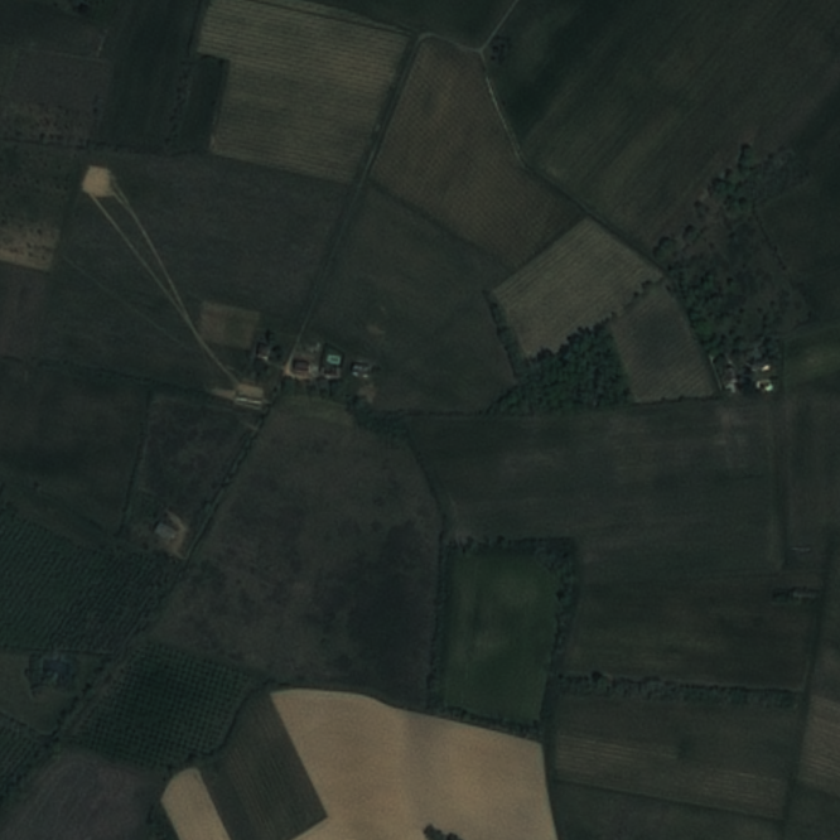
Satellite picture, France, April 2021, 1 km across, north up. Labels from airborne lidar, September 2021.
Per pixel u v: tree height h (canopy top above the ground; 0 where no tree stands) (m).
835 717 0
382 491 0
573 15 0
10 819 0
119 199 0
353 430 0
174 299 0
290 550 0
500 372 0
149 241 0
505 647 0
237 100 0
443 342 0
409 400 0
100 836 0
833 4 0
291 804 0
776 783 0
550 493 0
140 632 6
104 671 9
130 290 0
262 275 0
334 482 0
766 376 0
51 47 0
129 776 0
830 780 0
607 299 0
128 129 0
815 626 0
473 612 0
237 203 0
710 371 0
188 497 0
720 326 10
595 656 0
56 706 0
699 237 9
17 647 6
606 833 0
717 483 0
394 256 0
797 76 0
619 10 0
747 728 0
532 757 0
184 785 0
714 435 0
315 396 13
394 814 0
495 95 0
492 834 0
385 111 0
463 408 0
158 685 6
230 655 0
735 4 0
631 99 0
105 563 6
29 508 0
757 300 0
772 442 0
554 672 12
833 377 0
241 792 0
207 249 0
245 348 0
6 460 0
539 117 0
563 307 0
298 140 0
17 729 8
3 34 0
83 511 0
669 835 0
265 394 0
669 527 0
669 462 0
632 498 0
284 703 0
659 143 0
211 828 0
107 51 0
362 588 0
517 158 0
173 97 0
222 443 0
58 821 0
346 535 0
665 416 0
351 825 0
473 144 0
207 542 0
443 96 0
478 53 0
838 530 0
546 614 0
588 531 0
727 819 0
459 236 0
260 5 0
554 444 0
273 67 0
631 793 0
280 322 0
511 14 0
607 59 0
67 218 0
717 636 0
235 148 0
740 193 12
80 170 0
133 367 0
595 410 6
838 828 0
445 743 0
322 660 0
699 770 0
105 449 0
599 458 0
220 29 0
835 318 0
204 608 0
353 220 0
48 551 5
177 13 0
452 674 0
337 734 0
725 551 0
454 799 0
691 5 0
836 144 0
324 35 0
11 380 0
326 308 0
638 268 0
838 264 0
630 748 0
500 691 0
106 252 0
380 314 0
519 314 0
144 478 0
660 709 0
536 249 0
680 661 0
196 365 0
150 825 8
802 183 7
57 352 0
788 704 7
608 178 0
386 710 0
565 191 0
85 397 0
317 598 0
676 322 0
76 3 10
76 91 0
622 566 0
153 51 0
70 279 0
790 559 0
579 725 0
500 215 0
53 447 0
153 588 9
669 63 0
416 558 0
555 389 16
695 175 0
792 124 0
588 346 21
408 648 0
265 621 0
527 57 0
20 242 0
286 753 0
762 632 0
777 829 0
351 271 0
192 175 0
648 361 0
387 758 0
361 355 0
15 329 0
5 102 0
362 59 0
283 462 0
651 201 0
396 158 0
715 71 0
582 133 0
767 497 0
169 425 0
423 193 0
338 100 0
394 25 0
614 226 0
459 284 0
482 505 0
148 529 0
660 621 0
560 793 0
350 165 0
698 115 0
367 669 0
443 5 0
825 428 0
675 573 0
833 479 0
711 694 11
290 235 0
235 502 0
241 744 0
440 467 0
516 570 0
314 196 0
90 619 7
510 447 0
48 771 0
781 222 0
